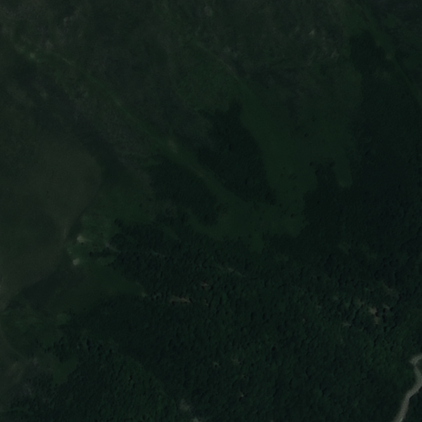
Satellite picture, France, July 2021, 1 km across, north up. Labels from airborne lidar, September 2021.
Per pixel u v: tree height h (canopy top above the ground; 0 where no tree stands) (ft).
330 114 0
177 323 50
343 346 83
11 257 0
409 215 70
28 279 0
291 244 24
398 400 80
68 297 0
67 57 0
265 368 101
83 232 0
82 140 0
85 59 0
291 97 0
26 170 0
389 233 44
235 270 32
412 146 36
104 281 0
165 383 33
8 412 21
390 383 86
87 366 37
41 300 0
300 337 55
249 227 0
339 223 46
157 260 74
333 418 67
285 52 0
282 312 36
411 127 33
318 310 95
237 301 65
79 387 35
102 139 0
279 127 0
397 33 0
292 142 0
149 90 0
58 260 0
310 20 0
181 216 24
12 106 0
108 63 0
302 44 0
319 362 72
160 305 81
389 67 41
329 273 37
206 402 49
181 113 0
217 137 35
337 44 0
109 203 0
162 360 63
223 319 87
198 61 0
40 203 0
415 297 64
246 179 35
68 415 46
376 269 24
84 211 0
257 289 66
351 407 67
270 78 0
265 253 24
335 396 91
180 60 0
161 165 37
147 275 59
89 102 0
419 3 0
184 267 83
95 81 0
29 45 0
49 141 0
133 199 0
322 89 0
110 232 0
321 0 0
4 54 0
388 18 0
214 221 28
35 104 0
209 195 31
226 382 85
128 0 0
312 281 71
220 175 27
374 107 29
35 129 0
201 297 87
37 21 0
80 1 0
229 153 41
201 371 53
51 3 0
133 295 25
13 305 0
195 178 28
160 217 19
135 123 0
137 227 35
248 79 0
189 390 81
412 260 84
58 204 0
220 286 49
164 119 0
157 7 0
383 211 36
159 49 0
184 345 65
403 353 34
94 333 20
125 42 0
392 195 31
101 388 36
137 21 0
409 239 30
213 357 46
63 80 0
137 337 24
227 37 0
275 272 22
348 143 0
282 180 0
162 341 44
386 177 24
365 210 24
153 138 0
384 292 18
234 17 0
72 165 0
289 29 0
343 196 26
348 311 58
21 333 0
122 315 27
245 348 93
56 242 0
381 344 95
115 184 0
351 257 20
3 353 0
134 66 0
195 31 0
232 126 32
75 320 22
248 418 62
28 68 0
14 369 0
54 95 0
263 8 0
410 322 68
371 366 84
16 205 0
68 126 0
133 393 73
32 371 0
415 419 25
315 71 0
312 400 76
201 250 57
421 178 42
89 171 0
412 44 0
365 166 25
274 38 0
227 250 26
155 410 60
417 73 0
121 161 0
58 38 0
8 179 0
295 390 71
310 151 0
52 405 28
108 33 0
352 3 0
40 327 0
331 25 0
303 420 70
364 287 76
